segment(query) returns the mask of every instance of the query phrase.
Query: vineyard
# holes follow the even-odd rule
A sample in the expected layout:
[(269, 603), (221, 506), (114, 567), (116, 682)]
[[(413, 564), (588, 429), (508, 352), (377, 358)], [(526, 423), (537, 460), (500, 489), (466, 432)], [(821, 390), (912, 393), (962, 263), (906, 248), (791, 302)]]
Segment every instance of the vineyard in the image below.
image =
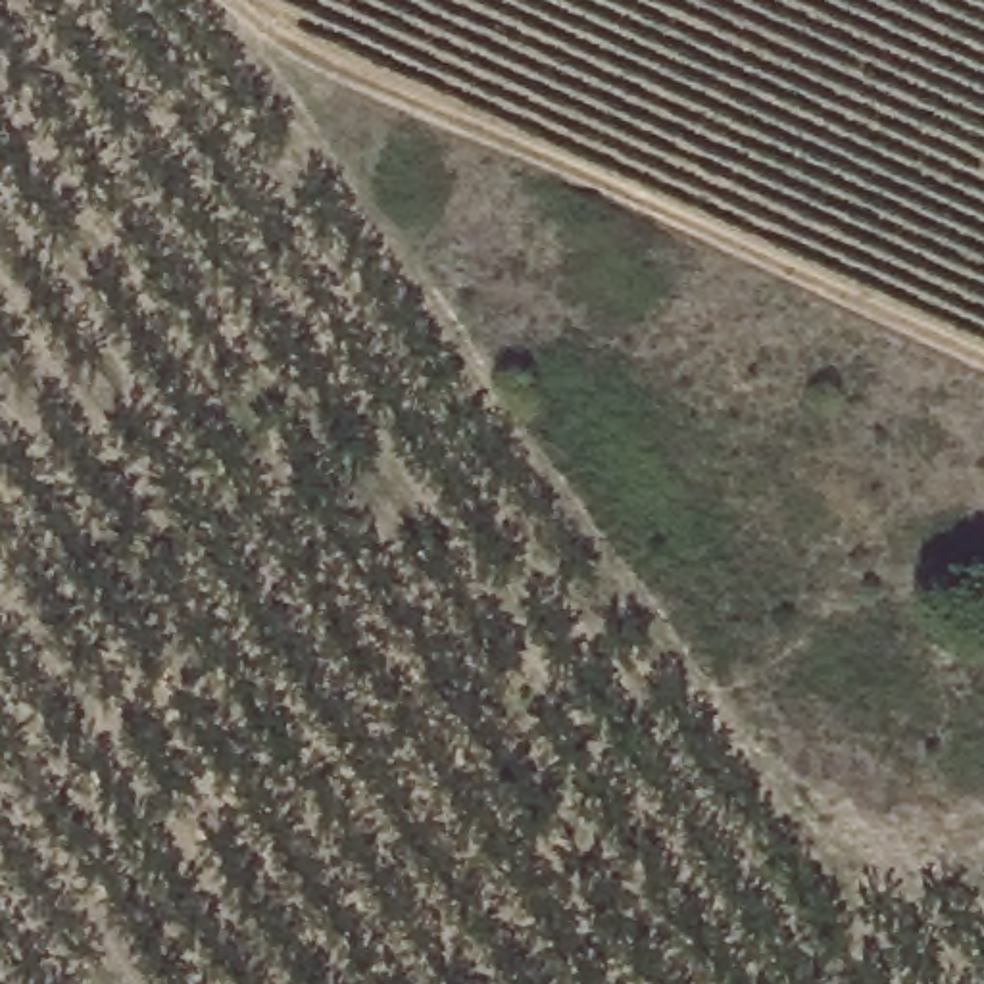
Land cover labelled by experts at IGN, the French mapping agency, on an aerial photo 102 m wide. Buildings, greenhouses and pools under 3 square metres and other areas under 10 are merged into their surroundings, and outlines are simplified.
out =
[(892, 296), (896, 304), (907, 304), (984, 342), (984, 0), (284, 0), (300, 8), (300, 31), (311, 38), (334, 42), (388, 73), (427, 85), (465, 108), (511, 123), (557, 150), (603, 165), (650, 192), (696, 208), (742, 234), (753, 234), (776, 250), (815, 261), (846, 281), (857, 281), (880, 296)]

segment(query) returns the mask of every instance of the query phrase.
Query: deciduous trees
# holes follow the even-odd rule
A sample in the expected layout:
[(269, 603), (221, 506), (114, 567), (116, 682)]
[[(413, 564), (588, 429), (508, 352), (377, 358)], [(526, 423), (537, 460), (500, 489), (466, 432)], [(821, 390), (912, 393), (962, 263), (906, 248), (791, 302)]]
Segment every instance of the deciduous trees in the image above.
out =
[(15, 388), (23, 388), (35, 377), (35, 357), (19, 338), (19, 315), (4, 311), (0, 296), (0, 350), (12, 354), (8, 377), (15, 381)]
[(969, 634), (984, 634), (984, 511), (957, 519), (946, 534), (934, 534), (923, 546), (915, 569), (915, 584), (926, 588), (934, 619), (957, 623)]
[(50, 281), (50, 269), (42, 269), (38, 258), (27, 254), (19, 234), (0, 215), (0, 261), (27, 288), (27, 304), (42, 315), (50, 331), (50, 350), (62, 350), (69, 365), (85, 365), (92, 373), (100, 369), (104, 354), (92, 342), (92, 334), (81, 334), (77, 315), (65, 304), (69, 288), (62, 281)]
[[(246, 62), (242, 38), (227, 27), (223, 8), (211, 0), (31, 0), (38, 12), (50, 15), (58, 46), (73, 50), (77, 73), (92, 77), (92, 100), (111, 119), (111, 131), (142, 131), (142, 150), (135, 154), (131, 169), (115, 173), (100, 161), (96, 138), (88, 138), (85, 119), (73, 111), (65, 96), (65, 81), (50, 69), (46, 54), (27, 62), (31, 38), (23, 31), (23, 19), (8, 12), (4, 0), (0, 0), (0, 165), (12, 165), (19, 200), (42, 208), (50, 234), (73, 238), (81, 231), (77, 211), (119, 215), (119, 238), (96, 254), (96, 265), (88, 265), (88, 288), (108, 296), (104, 319), (111, 323), (111, 331), (131, 331), (131, 369), (150, 373), (158, 396), (173, 404), (173, 419), (161, 427), (161, 434), (154, 434), (154, 411), (142, 407), (142, 388), (131, 388), (127, 407), (123, 396), (111, 396), (108, 423), (123, 438), (115, 461), (100, 461), (100, 446), (88, 431), (81, 404), (73, 404), (54, 377), (42, 381), (38, 396), (38, 415), (50, 434), (46, 454), (31, 457), (27, 431), (19, 423), (0, 419), (0, 465), (8, 473), (8, 484), (35, 500), (31, 523), (12, 523), (8, 507), (0, 504), (0, 588), (19, 584), (27, 603), (35, 603), (38, 619), (46, 623), (46, 630), (31, 638), (19, 634), (23, 623), (15, 611), (0, 611), (0, 673), (15, 680), (19, 700), (42, 711), (46, 723), (42, 746), (27, 746), (19, 719), (8, 715), (0, 703), (0, 984), (119, 984), (104, 969), (104, 942), (96, 934), (96, 923), (85, 911), (77, 911), (77, 903), (88, 899), (96, 884), (108, 888), (111, 926), (131, 942), (131, 953), (138, 953), (135, 984), (984, 984), (984, 861), (953, 865), (949, 876), (923, 869), (923, 896), (915, 903), (903, 896), (861, 888), (865, 903), (849, 907), (842, 899), (842, 880), (826, 876), (823, 865), (811, 857), (815, 838), (800, 830), (796, 819), (776, 815), (769, 800), (761, 800), (757, 769), (730, 750), (726, 726), (715, 726), (711, 700), (696, 692), (688, 696), (688, 673), (680, 653), (665, 650), (650, 665), (650, 692), (642, 703), (634, 703), (611, 673), (611, 657), (623, 657), (630, 665), (630, 646), (650, 642), (650, 611), (638, 600), (630, 600), (630, 607), (619, 607), (615, 580), (596, 573), (600, 557), (592, 538), (584, 538), (577, 523), (554, 504), (554, 484), (527, 465), (527, 454), (511, 438), (515, 431), (530, 431), (538, 419), (538, 404), (530, 396), (527, 377), (527, 369), (534, 369), (530, 350), (507, 346), (496, 357), (488, 357), (473, 342), (473, 331), (461, 319), (457, 304), (442, 288), (431, 288), (423, 296), (415, 281), (400, 273), (396, 254), (381, 246), (381, 238), (361, 234), (361, 219), (354, 215), (354, 192), (334, 188), (338, 173), (331, 165), (323, 154), (311, 150), (308, 169), (300, 173), (296, 204), (277, 200), (277, 181), (269, 173), (288, 142), (292, 104), (265, 81), (258, 65)], [(331, 242), (331, 227), (342, 231), (346, 250), (338, 265), (308, 265), (304, 250), (296, 246), (296, 215), (308, 215), (315, 223), (319, 242)], [(265, 273), (273, 269), (292, 277), (308, 292), (304, 315), (292, 315), (284, 300), (273, 296), (265, 281)], [(242, 377), (250, 369), (246, 354), (254, 342), (265, 346), (277, 381), (273, 388), (250, 400), (242, 396)], [(269, 507), (261, 461), (269, 431), (281, 434), (281, 450), (292, 465), (292, 492), (281, 515)], [(415, 507), (381, 542), (373, 507), (346, 504), (354, 484), (377, 465), (377, 438), (388, 431), (396, 438), (396, 454), (419, 480), (427, 480), (438, 492), (438, 504), (431, 515)], [(496, 596), (469, 596), (461, 577), (469, 561), (465, 554), (450, 550), (450, 538), (473, 538), (480, 557), (480, 580), (507, 584), (515, 577), (527, 584), (527, 623), (515, 627)], [(165, 646), (196, 650), (196, 657), (181, 669), (181, 688), (173, 692), (173, 700), (154, 707)], [(81, 700), (69, 696), (77, 680), (100, 680), (100, 700), (123, 711), (123, 738), (135, 750), (131, 765), (115, 765), (111, 738), (85, 723)], [(338, 746), (331, 761), (300, 757), (300, 734), (311, 726), (323, 726), (327, 738)], [(215, 773), (215, 784), (234, 788), (238, 800), (231, 807), (219, 807), (219, 830), (204, 838), (196, 857), (185, 857), (165, 826), (165, 815), (173, 807), (173, 792), (192, 792), (204, 773)], [(108, 834), (92, 826), (88, 811), (69, 803), (69, 796), (85, 792), (88, 784), (100, 788), (104, 803), (115, 803), (115, 823), (123, 834), (119, 846), (111, 846)], [(577, 826), (557, 815), (561, 792), (580, 792), (577, 811), (596, 823), (592, 849), (580, 849)], [(58, 865), (38, 861), (38, 838), (50, 838), (54, 846), (77, 853), (77, 873), (85, 876), (81, 888), (54, 888)]]

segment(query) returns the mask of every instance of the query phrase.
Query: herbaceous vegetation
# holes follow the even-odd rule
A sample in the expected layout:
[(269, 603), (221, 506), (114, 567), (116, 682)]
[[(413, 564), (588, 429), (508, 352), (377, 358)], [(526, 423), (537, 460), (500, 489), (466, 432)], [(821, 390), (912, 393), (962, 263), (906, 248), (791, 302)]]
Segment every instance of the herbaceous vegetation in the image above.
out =
[(461, 319), (473, 331), (473, 342), (488, 357), (496, 357), (507, 346), (530, 350), (534, 369), (527, 369), (527, 377), (530, 396), (538, 404), (538, 419), (530, 431), (542, 442), (546, 457), (584, 496), (592, 519), (607, 530), (615, 554), (669, 603), (677, 634), (684, 634), (692, 650), (703, 657), (703, 669), (723, 684), (738, 715), (753, 726), (753, 738), (765, 742), (780, 761), (788, 761), (800, 776), (815, 776), (819, 784), (842, 784), (865, 815), (892, 815), (899, 803), (953, 811), (961, 796), (984, 800), (984, 634), (969, 634), (957, 623), (934, 619), (926, 588), (915, 584), (915, 569), (923, 546), (934, 534), (946, 534), (957, 519), (984, 511), (984, 369), (938, 354), (815, 292), (803, 292), (792, 281), (765, 273), (761, 265), (730, 258), (726, 250), (669, 231), (650, 215), (638, 215), (607, 200), (596, 188), (530, 169), (519, 158), (496, 154), (480, 142), (442, 135), (350, 88), (334, 88), (331, 96), (319, 96), (311, 104), (319, 131), (342, 150), (331, 165), (338, 173), (334, 188), (354, 192), (354, 215), (361, 219), (361, 234), (381, 238), (381, 246), (396, 254), (400, 273), (415, 281), (423, 296), (431, 288), (442, 288), (457, 304)]

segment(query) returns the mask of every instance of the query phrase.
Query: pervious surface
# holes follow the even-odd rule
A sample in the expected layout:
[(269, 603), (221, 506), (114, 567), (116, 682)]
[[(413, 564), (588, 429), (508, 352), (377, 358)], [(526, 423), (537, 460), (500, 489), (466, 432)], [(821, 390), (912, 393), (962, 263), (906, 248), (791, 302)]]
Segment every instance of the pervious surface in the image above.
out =
[(334, 42), (311, 38), (300, 31), (300, 8), (284, 0), (211, 0), (223, 8), (227, 27), (242, 38), (246, 62), (258, 65), (265, 81), (292, 104), (288, 142), (269, 173), (277, 181), (277, 200), (296, 204), (300, 173), (308, 169), (311, 150), (323, 154), (331, 165), (342, 150), (319, 131), (311, 104), (319, 96), (331, 96), (334, 88), (350, 88), (442, 135), (480, 142), (496, 154), (519, 158), (530, 169), (596, 188), (607, 200), (638, 215), (650, 215), (669, 231), (726, 250), (730, 258), (761, 265), (765, 273), (792, 281), (803, 292), (815, 292), (938, 354), (984, 369), (984, 342), (907, 304), (896, 304), (892, 296), (880, 296), (857, 281), (846, 281), (815, 261), (776, 250), (753, 234), (742, 234), (696, 208), (650, 192), (603, 165), (557, 150), (511, 123), (465, 108), (427, 85), (388, 73)]

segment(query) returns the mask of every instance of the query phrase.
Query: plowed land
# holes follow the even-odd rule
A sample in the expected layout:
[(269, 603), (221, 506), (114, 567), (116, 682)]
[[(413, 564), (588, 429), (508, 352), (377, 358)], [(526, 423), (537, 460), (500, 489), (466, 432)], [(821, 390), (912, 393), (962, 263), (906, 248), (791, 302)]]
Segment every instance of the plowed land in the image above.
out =
[(35, 500), (8, 484), (8, 473), (0, 465), (0, 504), (8, 507), (12, 523), (31, 523)]
[(77, 911), (85, 911), (96, 923), (96, 934), (104, 942), (104, 969), (119, 984), (135, 984), (138, 953), (131, 953), (131, 942), (111, 926), (108, 888), (96, 884), (88, 899), (77, 903)]
[(308, 292), (292, 277), (273, 269), (265, 273), (265, 281), (273, 296), (284, 300), (292, 315), (304, 315)]
[(327, 738), (323, 726), (311, 726), (300, 734), (300, 757), (331, 761), (338, 746)]
[(46, 623), (38, 619), (35, 603), (27, 603), (19, 584), (0, 588), (0, 611), (15, 611), (23, 623), (19, 634), (31, 638), (46, 630)]
[(42, 711), (19, 700), (15, 680), (0, 673), (0, 703), (8, 715), (19, 719), (27, 746), (42, 746), (46, 723)]
[(69, 803), (88, 811), (92, 826), (108, 834), (111, 846), (119, 846), (123, 834), (115, 823), (115, 803), (104, 803), (100, 788), (88, 784), (85, 792), (69, 796)]
[(473, 538), (450, 538), (450, 550), (465, 554), (469, 561), (461, 577), (469, 596), (496, 596), (515, 627), (527, 623), (527, 584), (515, 577), (507, 584), (480, 580), (480, 557)]
[(123, 711), (100, 700), (100, 680), (77, 680), (69, 696), (81, 700), (85, 723), (111, 738), (115, 765), (131, 765), (135, 750), (123, 738)]
[(842, 899), (849, 907), (865, 903), (861, 888), (903, 896), (915, 903), (923, 896), (923, 869), (949, 876), (953, 865), (984, 861), (984, 800), (961, 796), (953, 811), (899, 803), (892, 815), (865, 815), (842, 784), (819, 784), (815, 776), (800, 776), (788, 761), (780, 761), (765, 742), (753, 738), (753, 726), (738, 715), (723, 684), (703, 669), (703, 657), (692, 650), (684, 634), (677, 634), (669, 603), (615, 554), (607, 530), (592, 519), (584, 496), (546, 457), (542, 442), (530, 431), (515, 431), (511, 438), (527, 454), (527, 465), (554, 484), (554, 504), (577, 523), (584, 538), (592, 538), (600, 557), (596, 573), (615, 580), (619, 607), (630, 607), (630, 600), (638, 600), (650, 611), (650, 642), (630, 646), (630, 665), (623, 657), (611, 657), (611, 673), (634, 703), (642, 703), (650, 692), (650, 665), (665, 650), (680, 653), (688, 673), (688, 696), (696, 692), (711, 700), (715, 726), (726, 726), (730, 750), (757, 769), (761, 800), (769, 800), (776, 815), (796, 819), (800, 830), (815, 838), (811, 857), (823, 865), (826, 876), (842, 880)]
[(0, 419), (19, 423), (27, 431), (31, 457), (46, 454), (50, 434), (38, 415), (38, 396), (42, 381), (54, 377), (73, 404), (81, 404), (88, 431), (100, 446), (100, 461), (115, 461), (123, 438), (108, 423), (111, 396), (123, 396), (127, 407), (131, 388), (142, 388), (142, 407), (154, 411), (154, 434), (161, 434), (161, 427), (173, 419), (173, 404), (158, 396), (150, 373), (131, 369), (131, 331), (111, 331), (111, 323), (104, 319), (108, 296), (88, 288), (88, 265), (96, 265), (96, 254), (119, 238), (119, 215), (77, 211), (81, 231), (73, 238), (50, 234), (42, 208), (19, 200), (12, 165), (0, 165), (0, 215), (19, 234), (27, 254), (38, 258), (42, 269), (50, 269), (50, 281), (62, 281), (69, 288), (65, 304), (77, 315), (81, 334), (92, 334), (92, 342), (104, 354), (100, 369), (92, 373), (85, 365), (69, 365), (62, 350), (50, 350), (50, 331), (42, 315), (27, 304), (27, 288), (0, 261), (0, 296), (4, 311), (19, 315), (19, 338), (35, 357), (35, 377), (23, 388), (15, 388), (15, 381), (8, 377), (12, 354), (0, 350)]
[(269, 431), (261, 461), (269, 507), (281, 515), (292, 492), (292, 465), (281, 450), (281, 434)]
[(354, 484), (346, 504), (373, 507), (381, 542), (415, 507), (431, 515), (438, 504), (438, 492), (427, 480), (419, 480), (396, 454), (396, 438), (388, 431), (377, 438), (377, 465)]
[(58, 865), (54, 888), (81, 888), (85, 876), (77, 873), (77, 853), (54, 846), (50, 838), (38, 838), (38, 861)]
[(577, 826), (580, 849), (592, 849), (596, 823), (577, 811), (580, 792), (561, 792), (557, 815)]
[(50, 15), (38, 12), (31, 0), (4, 0), (8, 12), (23, 19), (23, 31), (31, 38), (27, 62), (46, 54), (50, 69), (65, 81), (65, 96), (73, 111), (85, 119), (88, 138), (96, 138), (100, 161), (115, 173), (131, 169), (135, 154), (142, 150), (142, 131), (111, 131), (111, 119), (92, 100), (92, 77), (77, 73), (73, 50), (58, 46)]
[(196, 650), (165, 646), (154, 707), (173, 700), (173, 692), (181, 688), (181, 669), (196, 657)]
[(254, 342), (246, 354), (250, 369), (242, 377), (242, 396), (250, 400), (273, 388), (277, 381), (265, 346)]
[(185, 857), (196, 857), (204, 838), (219, 830), (219, 807), (231, 807), (238, 800), (234, 788), (215, 784), (215, 773), (204, 773), (192, 792), (173, 792), (173, 807), (165, 815), (165, 826)]
[(315, 223), (308, 215), (296, 215), (296, 246), (304, 250), (308, 265), (338, 265), (346, 250), (342, 231), (331, 227), (331, 242), (319, 242)]

